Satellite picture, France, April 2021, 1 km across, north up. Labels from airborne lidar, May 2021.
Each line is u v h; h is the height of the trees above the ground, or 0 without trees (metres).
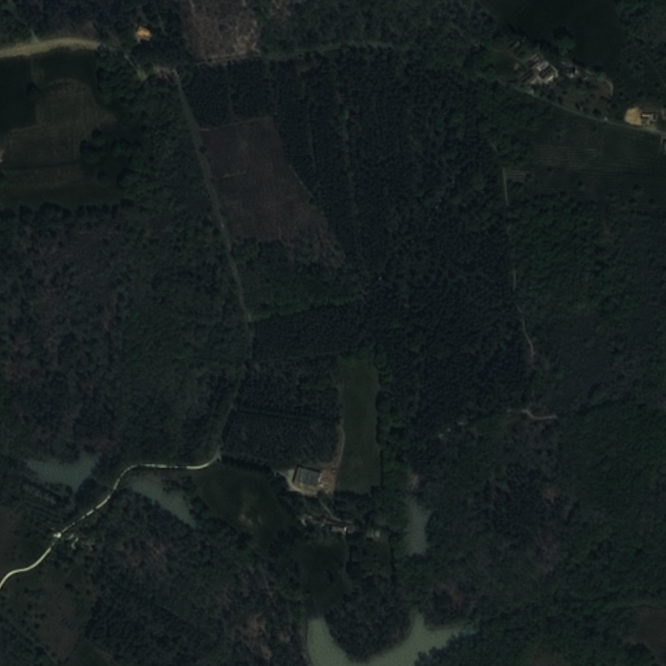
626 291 10
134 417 21
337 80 14
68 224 17
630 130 0
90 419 15
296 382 22
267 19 16
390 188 17
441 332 21
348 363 19
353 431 0
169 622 22
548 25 0
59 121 0
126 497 12
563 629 23
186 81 13
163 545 11
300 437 19
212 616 18
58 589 0
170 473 10
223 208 0
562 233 11
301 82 16
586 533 23
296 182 0
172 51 24
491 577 13
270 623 23
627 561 21
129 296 12
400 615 18
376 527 19
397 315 19
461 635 0
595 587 24
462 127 15
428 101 19
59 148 0
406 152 17
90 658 0
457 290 15
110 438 7
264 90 19
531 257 10
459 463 20
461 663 20
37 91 14
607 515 24
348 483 0
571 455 17
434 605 15
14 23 13
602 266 11
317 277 22
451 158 15
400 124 17
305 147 17
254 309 17
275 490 13
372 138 15
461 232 16
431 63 22
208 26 0
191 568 18
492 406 20
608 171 0
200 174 8
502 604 19
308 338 20
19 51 0
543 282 13
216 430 10
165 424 19
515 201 6
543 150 0
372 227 16
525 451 14
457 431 15
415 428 14
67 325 11
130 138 0
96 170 0
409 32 15
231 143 0
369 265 17
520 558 15
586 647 23
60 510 11
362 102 18
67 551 9
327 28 19
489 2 0
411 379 17
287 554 29
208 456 12
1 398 23
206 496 0
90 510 15
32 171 0
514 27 0
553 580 17
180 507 0
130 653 17
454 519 17
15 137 0
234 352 8
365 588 18
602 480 23
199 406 13
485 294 17
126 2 17
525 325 6
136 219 14
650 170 0
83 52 0
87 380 16
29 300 14
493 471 17
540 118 12
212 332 7
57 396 19
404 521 17
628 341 7
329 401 17
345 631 22
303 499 15
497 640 21
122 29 16
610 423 16
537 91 13
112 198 0
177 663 11
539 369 14
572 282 12
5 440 21
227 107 16
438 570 16
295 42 11
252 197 0
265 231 0
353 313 18
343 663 0
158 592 18
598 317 8
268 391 16
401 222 15
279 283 23
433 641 0
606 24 0
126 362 20
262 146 0
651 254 9
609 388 7
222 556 16
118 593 18
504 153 11
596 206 8
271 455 19
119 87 17
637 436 22
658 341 8
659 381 15
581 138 0
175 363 16
